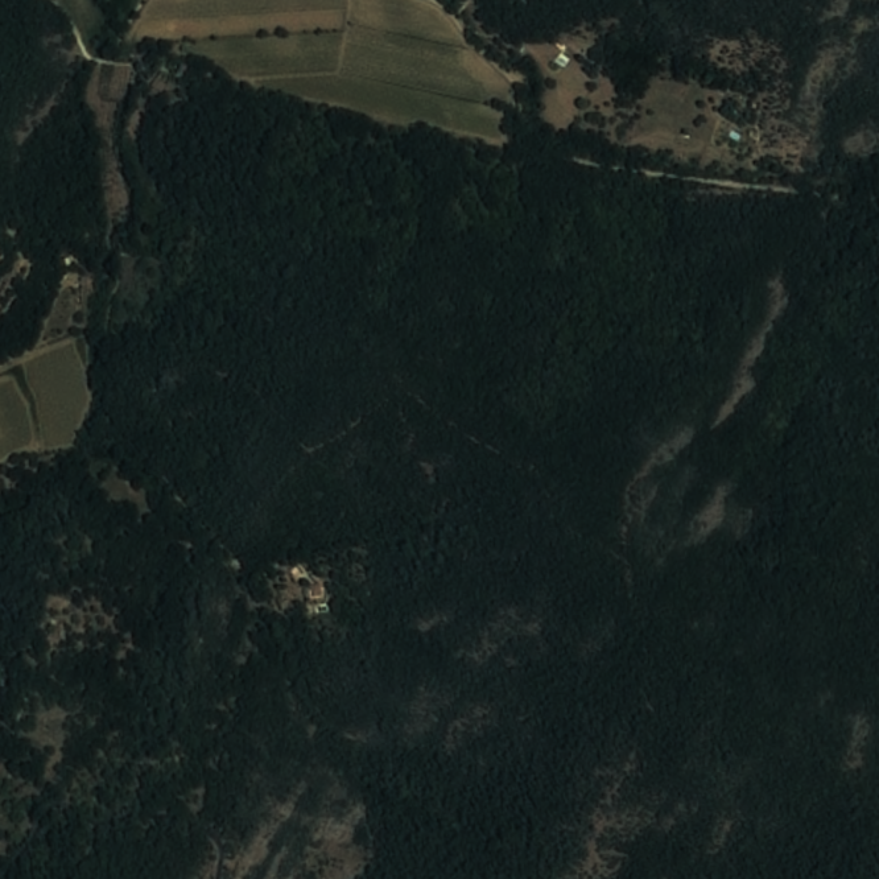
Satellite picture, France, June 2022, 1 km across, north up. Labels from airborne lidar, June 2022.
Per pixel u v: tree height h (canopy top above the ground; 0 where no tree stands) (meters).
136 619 15
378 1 0
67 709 8
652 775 7
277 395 13
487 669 6
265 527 6
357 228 10
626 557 7
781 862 8
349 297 11
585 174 18
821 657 9
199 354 15
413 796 7
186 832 11
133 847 7
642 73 17
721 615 8
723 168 6
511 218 8
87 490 21
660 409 10
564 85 0
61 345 0
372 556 9
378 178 16
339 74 0
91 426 16
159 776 14
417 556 7
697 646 6
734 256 8
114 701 16
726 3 9
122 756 7
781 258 6
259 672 13
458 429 7
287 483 8
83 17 0
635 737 10
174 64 7
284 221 12
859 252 17
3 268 10
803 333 7
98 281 7
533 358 12
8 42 14
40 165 12
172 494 15
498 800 10
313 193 12
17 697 12
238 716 14
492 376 14
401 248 11
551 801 6
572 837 5
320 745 10
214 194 18
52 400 0
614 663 8
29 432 0
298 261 7
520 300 11
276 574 9
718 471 8
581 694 10
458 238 16
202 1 0
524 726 6
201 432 14
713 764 8
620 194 7
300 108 22
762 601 6
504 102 12
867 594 9
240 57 0
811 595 8
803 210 13
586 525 6
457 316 10
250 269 9
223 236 13
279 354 10
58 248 16
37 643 13
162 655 15
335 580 15
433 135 17
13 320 17
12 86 12
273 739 7
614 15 15
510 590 7
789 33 7
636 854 9
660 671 6
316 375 9
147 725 13
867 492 8
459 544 8
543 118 10
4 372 0
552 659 8
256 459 8
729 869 6
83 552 10
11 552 14
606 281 8
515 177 11
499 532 7
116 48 14
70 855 11
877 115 7
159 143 14
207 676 10
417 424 6
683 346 12
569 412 12
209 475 12
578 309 14
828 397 8
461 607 8
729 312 9
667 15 18
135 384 10
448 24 0
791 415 11
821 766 7
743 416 12
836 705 7
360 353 7
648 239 8
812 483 9
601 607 9
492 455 7
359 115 18
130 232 14
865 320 8
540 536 7
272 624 16
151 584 16
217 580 9
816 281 22
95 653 18
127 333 16
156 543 16
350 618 12
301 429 8
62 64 6
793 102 6
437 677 6
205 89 18
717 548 9
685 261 8
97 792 9
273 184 13
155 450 13
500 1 13
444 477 7
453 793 12
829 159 16
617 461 10
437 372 10
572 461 7
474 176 17
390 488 10
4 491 14
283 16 0
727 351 8
